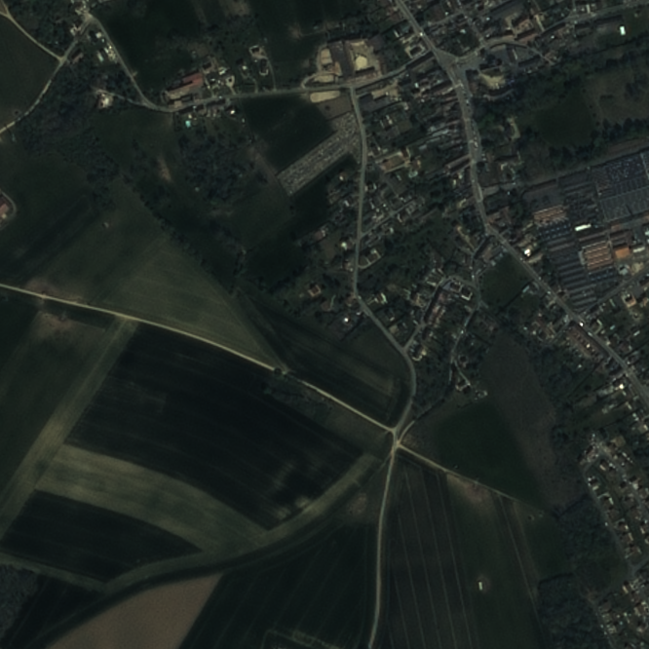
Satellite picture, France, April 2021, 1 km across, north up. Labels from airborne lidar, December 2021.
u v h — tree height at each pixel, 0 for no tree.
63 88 20
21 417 0
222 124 0
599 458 0
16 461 0
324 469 0
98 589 0
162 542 0
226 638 0
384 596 0
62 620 0
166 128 0
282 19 0
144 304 0
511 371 0
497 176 0
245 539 0
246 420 0
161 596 0
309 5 0
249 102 0
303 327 0
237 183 19
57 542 0
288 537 0
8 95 0
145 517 0
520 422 0
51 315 0
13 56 0
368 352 0
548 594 10
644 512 0
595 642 22
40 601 0
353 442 0
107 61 0
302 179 0
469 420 0
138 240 0
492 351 0
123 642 0
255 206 0
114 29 0
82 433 0
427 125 6
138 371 0
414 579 0
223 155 15
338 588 0
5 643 0
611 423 0
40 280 0
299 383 15
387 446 0
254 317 0
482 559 0
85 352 0
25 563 0
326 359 0
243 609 0
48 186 0
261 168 0
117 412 0
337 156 0
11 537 0
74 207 0
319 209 0
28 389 0
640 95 22
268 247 0
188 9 0
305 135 0
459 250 5
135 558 0
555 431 9
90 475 0
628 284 0
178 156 0
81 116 16
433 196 8
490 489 0
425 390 7
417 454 0
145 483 0
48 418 0
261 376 0
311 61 0
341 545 0
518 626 0
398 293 0
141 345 0
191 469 0
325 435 0
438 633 0
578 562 23
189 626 0
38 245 0
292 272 0
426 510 0
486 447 0
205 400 0
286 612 0
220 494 0
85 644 0
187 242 18
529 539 0
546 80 17
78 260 0
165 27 0
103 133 0
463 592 0
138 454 0
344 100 0
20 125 13
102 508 0
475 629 0
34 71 0
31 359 0
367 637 0
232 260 0
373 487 0
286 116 0
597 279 0
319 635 0
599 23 0
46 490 0
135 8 21
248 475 0
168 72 0
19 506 0
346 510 0
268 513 0
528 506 0
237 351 0
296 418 0
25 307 0
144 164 18
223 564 0
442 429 0
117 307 0
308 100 0
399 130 0
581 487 6
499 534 0
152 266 0
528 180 16
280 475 0
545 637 0
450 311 14
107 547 0
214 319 0
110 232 0
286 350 0
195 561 0
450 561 0
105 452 0
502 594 0
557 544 0
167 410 0
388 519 0
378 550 0
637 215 0
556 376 14
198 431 0
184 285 0
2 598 26
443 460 0
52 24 15
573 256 0
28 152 11
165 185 0
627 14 0
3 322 0
